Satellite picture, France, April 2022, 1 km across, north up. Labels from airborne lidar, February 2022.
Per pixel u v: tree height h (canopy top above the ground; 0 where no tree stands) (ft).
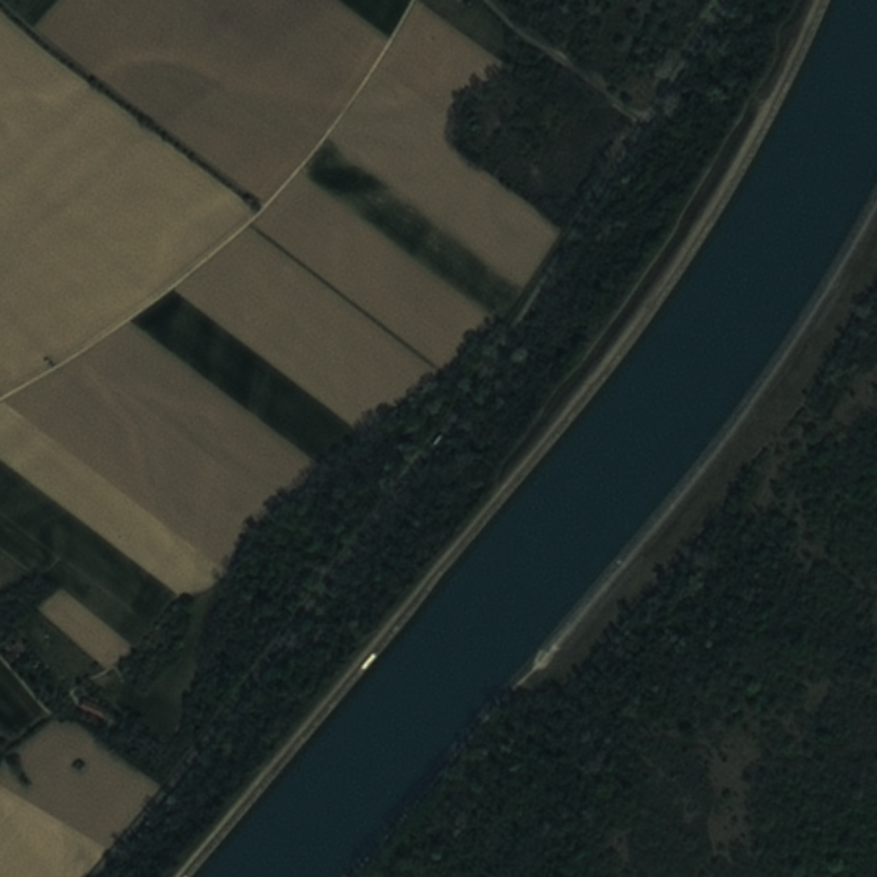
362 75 0
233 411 0
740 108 23
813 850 28
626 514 0
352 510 63
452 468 94
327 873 0
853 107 0
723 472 0
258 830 0
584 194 53
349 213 0
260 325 0
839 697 31
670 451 0
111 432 0
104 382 0
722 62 44
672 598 55
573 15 41
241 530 0
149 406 0
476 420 96
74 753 0
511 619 0
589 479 0
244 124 0
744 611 37
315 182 0
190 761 0
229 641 59
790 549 43
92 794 0
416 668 0
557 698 69
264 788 0
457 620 0
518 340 72
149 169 0
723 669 61
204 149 0
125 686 0
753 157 0
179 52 0
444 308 0
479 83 56
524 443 0
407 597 0
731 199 0
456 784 88
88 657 0
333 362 0
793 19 0
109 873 29
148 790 0
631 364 0
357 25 0
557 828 62
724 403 0
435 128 0
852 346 37
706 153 24
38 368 0
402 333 0
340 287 0
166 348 0
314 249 0
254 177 0
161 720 0
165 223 0
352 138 0
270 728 70
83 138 0
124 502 0
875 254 0
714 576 78
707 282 0
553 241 0
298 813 0
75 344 0
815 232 0
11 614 44
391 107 0
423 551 83
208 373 0
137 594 0
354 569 58
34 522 0
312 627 63
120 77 0
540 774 56
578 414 0
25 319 0
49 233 0
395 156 0
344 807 0
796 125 0
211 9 0
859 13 0
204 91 0
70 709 29
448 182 0
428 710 0
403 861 73
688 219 0
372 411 0
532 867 52
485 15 0
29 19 0
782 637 50
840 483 34
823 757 42
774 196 0
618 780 45
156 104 0
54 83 0
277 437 0
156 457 0
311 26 0
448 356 0
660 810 23
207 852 0
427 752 0
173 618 26
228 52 0
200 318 0
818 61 0
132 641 0
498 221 0
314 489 79
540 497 0
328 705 0
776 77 0
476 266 0
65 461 0
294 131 0
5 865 0
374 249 0
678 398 0
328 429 0
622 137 0
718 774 0
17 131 0
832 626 39
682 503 0
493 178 0
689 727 54
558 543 0
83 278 0
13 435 0
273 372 0
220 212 0
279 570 52
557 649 0
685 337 0
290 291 0
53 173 0
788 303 0
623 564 0
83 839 0
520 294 0
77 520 0
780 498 47
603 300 48
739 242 0
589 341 45
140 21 0
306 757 0
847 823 24
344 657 39
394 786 0
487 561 0
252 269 0
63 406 0
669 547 0
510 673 0
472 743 35
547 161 0
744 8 57
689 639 63
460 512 26
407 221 0
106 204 0
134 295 0
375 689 0
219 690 52
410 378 0
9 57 0
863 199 0
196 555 0
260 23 0
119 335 0
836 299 0
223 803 56
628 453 0
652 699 39
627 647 46
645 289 0
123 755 64
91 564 0
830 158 0
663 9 55
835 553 53
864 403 0
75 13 0
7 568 0
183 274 0
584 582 0
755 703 56
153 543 0
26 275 0
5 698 0
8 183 0
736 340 0
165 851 59
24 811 0
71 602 0
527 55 41
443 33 0
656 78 47
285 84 0
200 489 0
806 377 0
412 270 0
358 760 0
